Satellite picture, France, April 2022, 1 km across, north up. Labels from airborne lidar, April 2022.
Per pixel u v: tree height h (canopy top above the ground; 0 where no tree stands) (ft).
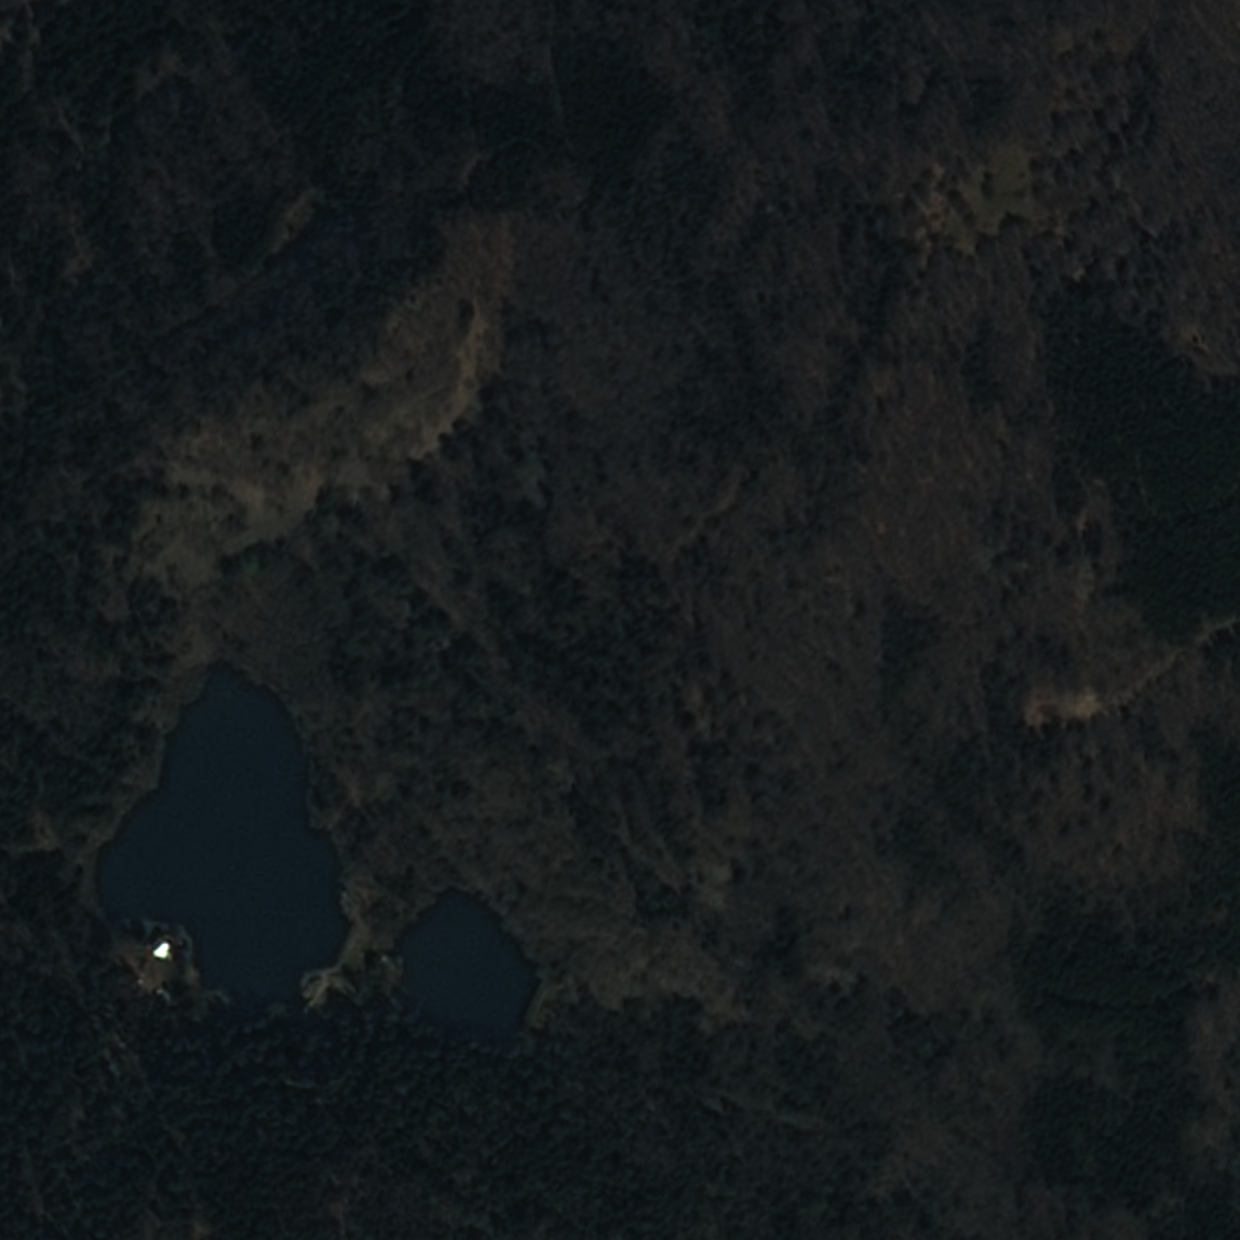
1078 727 47
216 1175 99
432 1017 0
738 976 77
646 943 36
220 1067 126
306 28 52
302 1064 65
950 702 61
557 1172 94
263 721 0
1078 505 52
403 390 49
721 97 62
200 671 25
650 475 41
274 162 51
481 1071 69
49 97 98
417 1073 117
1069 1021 51
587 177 62
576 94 74
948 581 66
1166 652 49
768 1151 71
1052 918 76
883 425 49
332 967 0
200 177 74
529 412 62
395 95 75
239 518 36
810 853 60
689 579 51
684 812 47
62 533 99
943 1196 72
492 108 70
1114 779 71
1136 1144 68
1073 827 84
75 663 91
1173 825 56
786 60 60
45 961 89
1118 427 61
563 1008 57
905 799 73
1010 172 0
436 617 36
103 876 0
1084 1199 79
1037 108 46
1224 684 50
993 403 43
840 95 57
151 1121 119
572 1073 95
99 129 40
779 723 70
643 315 52
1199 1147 69
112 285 20
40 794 81
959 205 35
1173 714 75
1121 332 65
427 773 31
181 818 0
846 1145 66
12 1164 93
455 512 58
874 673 73
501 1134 89
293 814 0
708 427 23
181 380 81
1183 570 73
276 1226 74
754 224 51
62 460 98
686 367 44
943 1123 74
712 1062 73
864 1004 89
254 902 0
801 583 57
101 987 102
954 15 50
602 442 52
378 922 47
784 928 86
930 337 43
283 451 56
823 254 43
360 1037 95
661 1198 89
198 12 84
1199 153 62
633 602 27
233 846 0
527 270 73
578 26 59
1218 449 56
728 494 42
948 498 63
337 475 30
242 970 0
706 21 80
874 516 60
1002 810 51
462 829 58
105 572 62
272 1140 77
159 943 0
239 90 68
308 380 37
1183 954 73
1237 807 72
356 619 81
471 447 50
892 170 37
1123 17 47
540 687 80
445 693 60
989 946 76
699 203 54
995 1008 55
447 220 32
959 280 39
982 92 54
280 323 93
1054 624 51
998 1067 73
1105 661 51
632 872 49
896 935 84
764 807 49
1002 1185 81
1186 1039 78
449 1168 36
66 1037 114
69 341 97
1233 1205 84
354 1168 91
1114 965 74
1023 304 36
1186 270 58
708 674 47
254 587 92
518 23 73
